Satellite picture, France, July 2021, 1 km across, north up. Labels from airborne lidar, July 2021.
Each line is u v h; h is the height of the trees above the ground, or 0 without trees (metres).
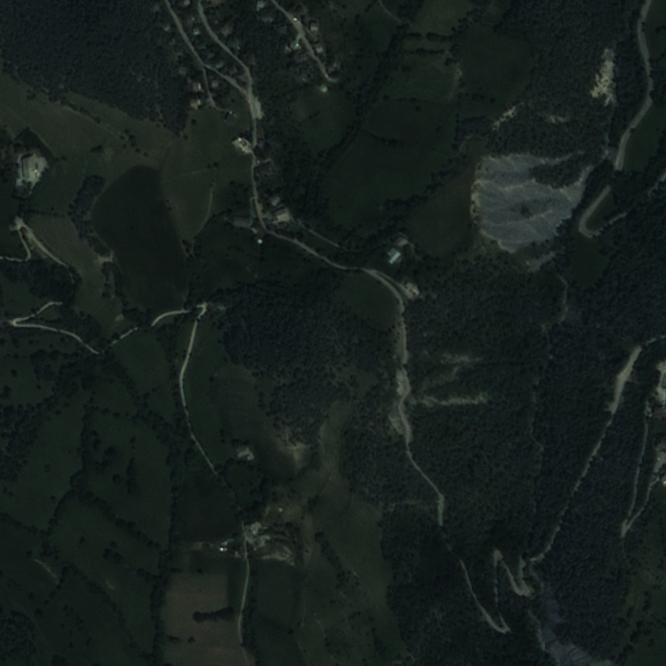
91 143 0
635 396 11
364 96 9
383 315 0
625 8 14
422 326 6
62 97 7
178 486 8
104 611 0
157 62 11
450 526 16
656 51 0
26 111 0
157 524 0
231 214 10
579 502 15
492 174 0
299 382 10
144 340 0
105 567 0
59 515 13
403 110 0
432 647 15
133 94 6
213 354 0
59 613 0
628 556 8
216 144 0
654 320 18
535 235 0
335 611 0
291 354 14
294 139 8
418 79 0
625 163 0
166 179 0
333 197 0
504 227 0
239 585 0
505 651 18
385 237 17
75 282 6
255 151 11
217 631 0
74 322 9
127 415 6
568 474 14
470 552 12
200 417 0
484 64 0
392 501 6
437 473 11
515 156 0
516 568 12
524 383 17
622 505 8
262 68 12
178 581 0
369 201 0
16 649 15
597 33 11
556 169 8
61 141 0
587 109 8
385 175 0
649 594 7
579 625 13
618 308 12
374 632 11
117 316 0
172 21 6
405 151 0
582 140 7
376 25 0
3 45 9
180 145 0
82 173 0
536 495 10
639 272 10
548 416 13
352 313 9
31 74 9
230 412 0
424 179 0
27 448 11
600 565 14
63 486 0
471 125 11
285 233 8
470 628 22
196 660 0
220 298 7
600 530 10
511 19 15
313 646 0
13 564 0
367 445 9
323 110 0
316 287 7
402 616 13
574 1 13
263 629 0
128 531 7
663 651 0
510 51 0
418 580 16
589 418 10
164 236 0
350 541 0
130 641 6
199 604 0
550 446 10
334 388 8
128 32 13
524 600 12
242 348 16
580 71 10
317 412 9
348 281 0
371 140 6
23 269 12
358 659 0
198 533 0
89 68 11
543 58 11
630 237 14
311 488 0
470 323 13
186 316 12
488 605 22
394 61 14
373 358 14
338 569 9
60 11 11
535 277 8
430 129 0
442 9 0
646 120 0
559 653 0
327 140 0
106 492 0
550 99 10
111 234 0
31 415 8
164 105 7
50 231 0
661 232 16
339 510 0
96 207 0
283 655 0
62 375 11
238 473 0
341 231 8
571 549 14
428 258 12
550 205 0
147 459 0
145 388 0
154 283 0
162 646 9
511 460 13
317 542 7
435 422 9
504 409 16
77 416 0
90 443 10
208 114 0
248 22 7
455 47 8
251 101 0
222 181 0
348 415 0
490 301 10
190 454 12
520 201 0
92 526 0
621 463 11
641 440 8
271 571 0
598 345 5
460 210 0
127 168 0
